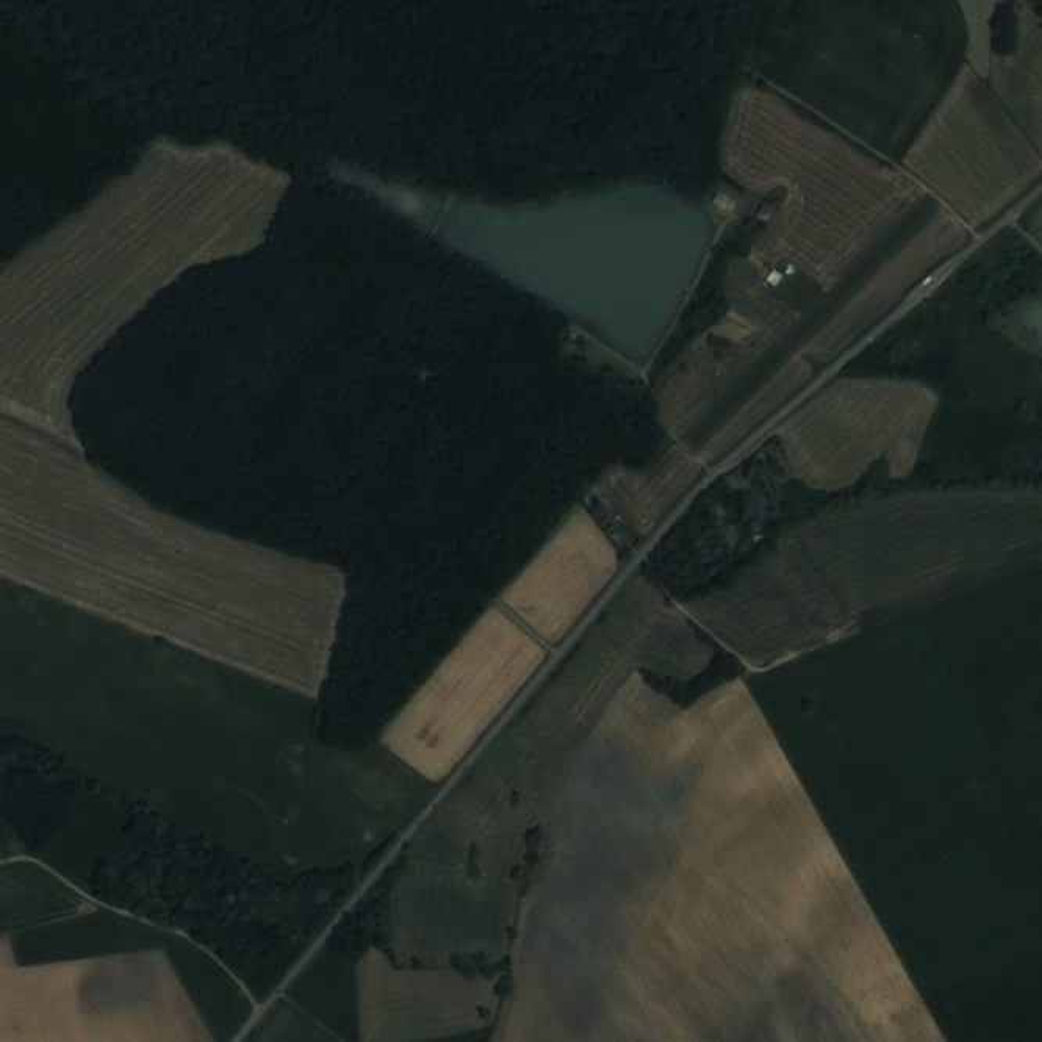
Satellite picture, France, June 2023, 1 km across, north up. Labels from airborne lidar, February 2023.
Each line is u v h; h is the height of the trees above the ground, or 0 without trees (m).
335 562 14
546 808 0
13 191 15
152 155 0
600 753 0
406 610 27
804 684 0
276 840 0
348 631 22
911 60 0
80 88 20
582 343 13
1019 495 0
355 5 26
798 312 0
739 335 0
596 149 27
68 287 0
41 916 0
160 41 21
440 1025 0
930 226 0
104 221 0
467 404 23
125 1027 0
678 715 0
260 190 0
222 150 0
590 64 28
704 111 24
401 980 0
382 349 22
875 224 0
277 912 0
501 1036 0
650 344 0
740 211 0
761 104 0
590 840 0
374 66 27
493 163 29
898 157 0
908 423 0
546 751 0
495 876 0
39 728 0
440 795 0
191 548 0
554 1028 0
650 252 0
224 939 19
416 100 25
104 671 0
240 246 0
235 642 0
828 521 0
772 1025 0
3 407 0
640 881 0
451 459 26
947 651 0
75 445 0
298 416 20
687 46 17
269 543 13
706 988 0
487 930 0
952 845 0
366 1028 0
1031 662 0
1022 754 0
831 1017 0
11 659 0
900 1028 0
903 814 0
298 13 26
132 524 0
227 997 0
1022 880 0
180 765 0
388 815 0
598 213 0
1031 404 8
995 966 0
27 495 0
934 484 11
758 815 0
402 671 23
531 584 0
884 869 0
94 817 0
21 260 0
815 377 0
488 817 0
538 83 25
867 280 0
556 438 24
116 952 0
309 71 26
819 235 0
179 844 21
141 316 11
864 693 0
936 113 0
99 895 18
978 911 0
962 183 0
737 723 0
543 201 14
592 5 29
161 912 19
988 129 0
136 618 0
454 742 0
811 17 0
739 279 0
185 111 25
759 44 0
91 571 0
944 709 0
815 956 0
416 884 0
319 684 0
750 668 0
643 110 28
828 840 0
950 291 0
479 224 0
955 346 6
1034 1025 0
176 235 0
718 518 11
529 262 0
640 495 0
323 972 0
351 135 22
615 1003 0
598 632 0
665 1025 0
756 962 0
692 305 9
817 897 0
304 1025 0
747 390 0
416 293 22
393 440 19
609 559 0
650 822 0
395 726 0
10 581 0
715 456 0
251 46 23
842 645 0
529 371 19
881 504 0
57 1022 0
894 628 0
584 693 0
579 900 0
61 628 0
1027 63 0
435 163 24
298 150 27
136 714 0
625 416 21
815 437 0
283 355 20
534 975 0
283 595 0
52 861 0
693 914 0
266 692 0
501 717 0
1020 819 0
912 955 0
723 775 0
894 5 0
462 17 28
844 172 0
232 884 15
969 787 0
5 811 33
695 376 0
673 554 9
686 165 22
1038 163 0
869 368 6
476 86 27
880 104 0
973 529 0
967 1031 0
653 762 0
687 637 0
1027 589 0
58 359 0
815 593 0
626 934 0
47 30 18
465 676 0
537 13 26
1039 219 0
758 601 0
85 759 0
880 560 0
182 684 0
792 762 0
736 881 0
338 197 20
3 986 0
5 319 0
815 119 11
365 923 18
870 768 0
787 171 0
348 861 0
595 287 0
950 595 0
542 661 0
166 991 0
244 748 0
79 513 0
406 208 0
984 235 0
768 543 14
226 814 0
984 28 0
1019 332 0
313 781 0
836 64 0
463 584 25
